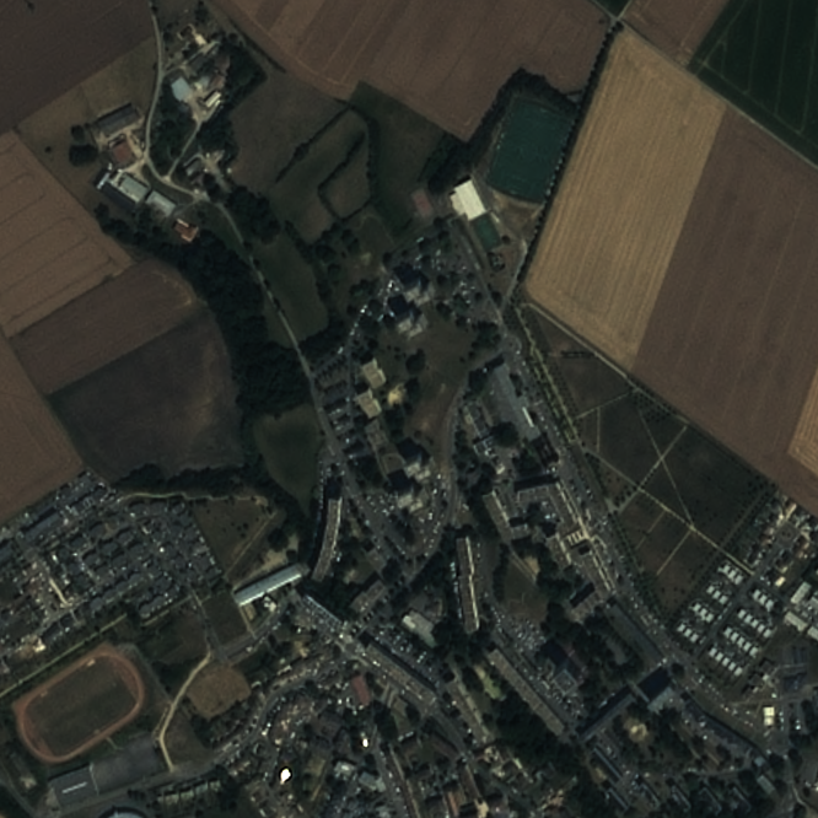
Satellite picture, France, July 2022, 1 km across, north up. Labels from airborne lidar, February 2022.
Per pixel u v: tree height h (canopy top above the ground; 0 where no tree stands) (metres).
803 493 0
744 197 0
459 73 0
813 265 0
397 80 0
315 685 11
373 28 0
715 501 0
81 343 0
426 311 0
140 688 0
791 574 0
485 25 0
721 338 0
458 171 15
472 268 0
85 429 0
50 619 0
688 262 0
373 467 19
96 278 0
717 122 0
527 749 13
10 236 0
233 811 13
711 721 0
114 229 17
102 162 0
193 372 0
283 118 0
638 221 0
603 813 12
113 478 0
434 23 0
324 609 0
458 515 0
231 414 0
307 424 0
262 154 0
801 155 0
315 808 0
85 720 0
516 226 0
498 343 8
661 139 0
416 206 0
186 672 0
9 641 0
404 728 0
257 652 0
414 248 0
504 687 14
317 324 0
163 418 0
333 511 0
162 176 0
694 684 0
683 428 0
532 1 0
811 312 0
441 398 0
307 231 0
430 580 14
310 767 0
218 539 0
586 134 0
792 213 0
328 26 0
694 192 0
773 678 0
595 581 0
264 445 0
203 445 0
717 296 0
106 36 0
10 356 0
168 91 7
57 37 0
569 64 0
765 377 0
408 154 0
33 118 0
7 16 0
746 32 0
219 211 0
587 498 0
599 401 0
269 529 0
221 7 0
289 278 0
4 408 0
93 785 0
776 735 0
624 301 0
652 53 0
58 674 0
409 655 0
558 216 0
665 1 0
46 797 0
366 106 0
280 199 0
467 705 0
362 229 0
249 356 13
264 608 9
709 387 0
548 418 0
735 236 0
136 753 0
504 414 0
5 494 0
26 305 0
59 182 0
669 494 0
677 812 8
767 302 0
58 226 0
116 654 0
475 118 0
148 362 0
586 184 0
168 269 0
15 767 0
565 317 0
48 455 0
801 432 0
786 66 0
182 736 0
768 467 0
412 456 0
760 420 0
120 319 0
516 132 0
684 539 0
